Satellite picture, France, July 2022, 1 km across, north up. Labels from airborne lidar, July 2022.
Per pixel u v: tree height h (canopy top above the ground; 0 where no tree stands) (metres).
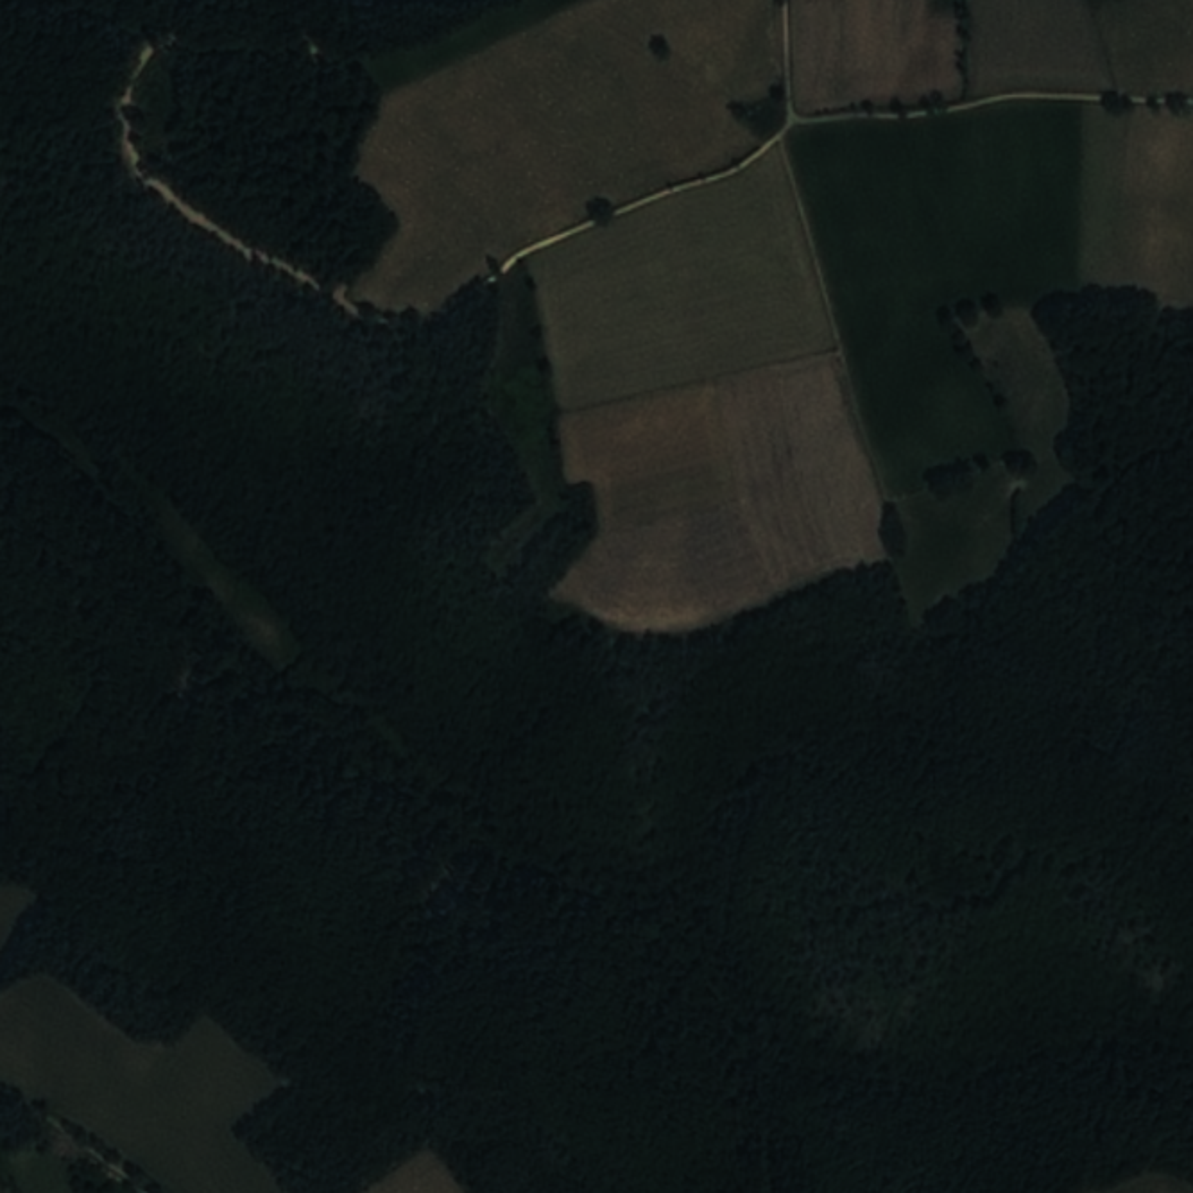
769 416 0
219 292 15
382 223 20
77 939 24
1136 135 0
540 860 8
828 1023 9
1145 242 0
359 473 24
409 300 0
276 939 21
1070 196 0
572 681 22
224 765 21
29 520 27
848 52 0
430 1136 16
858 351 0
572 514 7
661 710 13
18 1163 0
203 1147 0
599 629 19
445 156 0
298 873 24
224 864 24
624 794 12
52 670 18
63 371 21
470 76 0
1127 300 22
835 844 10
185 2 24
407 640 20
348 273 6
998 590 19
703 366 0
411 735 21
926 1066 23
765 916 11
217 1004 17
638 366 0
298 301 22
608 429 0
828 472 0
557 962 27
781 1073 23
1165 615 24
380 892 26
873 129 0
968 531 0
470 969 28
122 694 22
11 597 24
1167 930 16
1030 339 0
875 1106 23
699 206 0
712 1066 21
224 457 15
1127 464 29
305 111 11
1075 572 21
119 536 25
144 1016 13
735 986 14
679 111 0
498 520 13
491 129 0
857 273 0
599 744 18
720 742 23
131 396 21
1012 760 23
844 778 22
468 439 20
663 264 0
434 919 24
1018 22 0
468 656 16
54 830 29
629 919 19
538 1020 26
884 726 24
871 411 0
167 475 25
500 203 0
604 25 0
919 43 0
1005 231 0
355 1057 26
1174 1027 27
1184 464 29
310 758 22
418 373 12
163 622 29
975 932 12
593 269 0
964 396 0
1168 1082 25
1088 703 14
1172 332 15
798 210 0
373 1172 13
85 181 10
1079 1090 23
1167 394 24
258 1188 0
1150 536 30
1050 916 12
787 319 0
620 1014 19
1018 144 0
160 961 22
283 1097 16
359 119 16
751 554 0
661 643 17
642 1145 22
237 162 13
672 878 15
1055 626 20
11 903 0
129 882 21
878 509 0
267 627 0
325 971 21
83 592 18
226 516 26
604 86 0
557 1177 16
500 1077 17
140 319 13
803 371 0
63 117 25
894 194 0
